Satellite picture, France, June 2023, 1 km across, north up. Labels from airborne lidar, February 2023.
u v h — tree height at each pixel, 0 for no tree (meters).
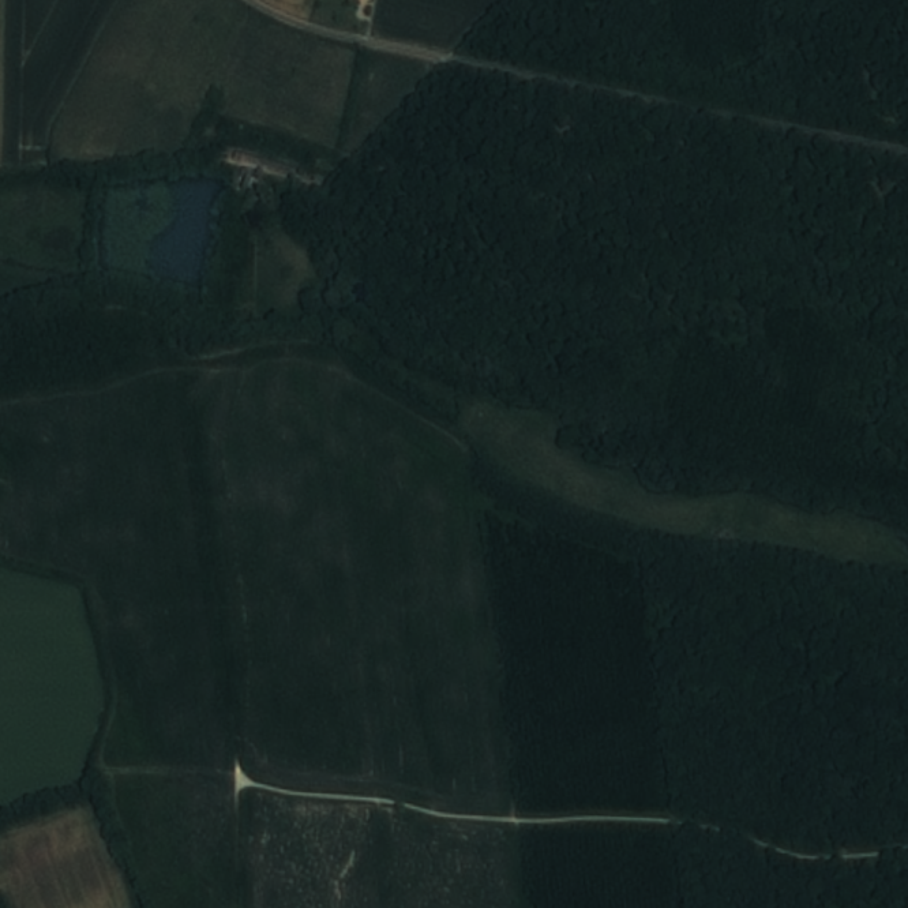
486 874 0
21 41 0
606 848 11
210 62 0
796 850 19
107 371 8
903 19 26
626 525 7
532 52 18
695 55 10
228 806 0
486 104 15
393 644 0
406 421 0
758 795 19
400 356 22
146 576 0
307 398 0
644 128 16
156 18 0
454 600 0
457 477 0
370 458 0
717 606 15
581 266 17
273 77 0
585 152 24
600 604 7
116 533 0
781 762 21
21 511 0
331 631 0
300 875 0
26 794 0
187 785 0
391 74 0
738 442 8
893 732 24
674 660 19
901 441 18
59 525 0
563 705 10
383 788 0
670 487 20
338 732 0
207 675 0
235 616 0
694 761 17
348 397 0
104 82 0
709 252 22
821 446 6
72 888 0
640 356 12
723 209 23
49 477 0
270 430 0
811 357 7
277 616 0
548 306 22
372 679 0
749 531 0
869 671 21
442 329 21
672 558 16
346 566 0
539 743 9
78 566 0
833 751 24
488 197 28
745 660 16
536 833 9
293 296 0
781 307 19
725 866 24
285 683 0
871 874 22
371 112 0
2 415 0
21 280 0
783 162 18
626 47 20
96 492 0
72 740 0
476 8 0
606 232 26
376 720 0
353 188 20
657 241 17
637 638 7
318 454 0
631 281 25
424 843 0
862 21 21
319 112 0
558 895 13
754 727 21
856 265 18
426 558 0
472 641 0
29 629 0
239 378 0
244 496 0
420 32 0
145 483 0
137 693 0
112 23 0
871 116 18
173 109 0
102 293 20
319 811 0
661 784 10
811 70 21
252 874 0
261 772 0
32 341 7
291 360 0
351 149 0
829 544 0
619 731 8
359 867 0
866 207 21
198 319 23
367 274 19
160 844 0
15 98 0
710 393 7
